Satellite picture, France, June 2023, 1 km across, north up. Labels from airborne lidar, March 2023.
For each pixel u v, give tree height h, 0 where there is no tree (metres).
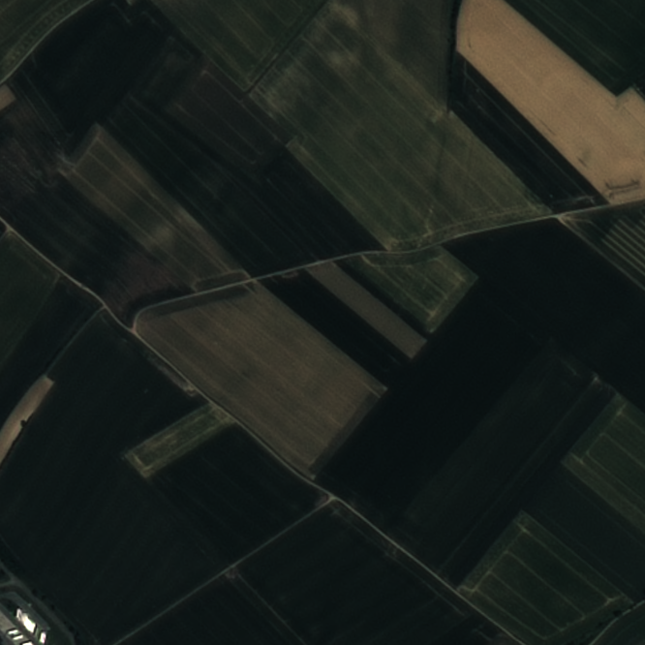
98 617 0
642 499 0
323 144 0
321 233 0
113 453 0
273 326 0
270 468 0
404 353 0
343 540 0
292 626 0
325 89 0
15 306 0
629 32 0
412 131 0
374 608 0
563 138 0
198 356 0
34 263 0
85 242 0
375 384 0
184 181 0
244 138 0
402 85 0
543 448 0
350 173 0
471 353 0
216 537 0
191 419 0
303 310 0
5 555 15
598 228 0
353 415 0
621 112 0
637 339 0
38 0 0
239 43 0
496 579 0
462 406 0
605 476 0
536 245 0
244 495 0
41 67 0
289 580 0
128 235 0
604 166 0
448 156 0
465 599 0
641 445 0
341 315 0
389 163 0
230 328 0
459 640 0
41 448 0
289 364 0
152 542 0
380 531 0
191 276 0
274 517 0
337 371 0
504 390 0
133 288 0
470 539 0
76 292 0
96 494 0
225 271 0
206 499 0
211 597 0
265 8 0
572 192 0
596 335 0
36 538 0
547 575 0
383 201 0
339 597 0
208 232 0
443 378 0
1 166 0
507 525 0
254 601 0
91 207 0
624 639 0
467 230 0
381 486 0
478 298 0
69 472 0
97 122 0
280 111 0
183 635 0
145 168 0
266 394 0
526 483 0
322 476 0
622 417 0
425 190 0
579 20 0
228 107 0
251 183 0
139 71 0
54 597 0
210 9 0
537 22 0
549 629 0
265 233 0
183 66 0
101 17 0
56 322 0
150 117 0
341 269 0
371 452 0
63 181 0
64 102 0
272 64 0
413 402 0
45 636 0
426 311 0
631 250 0
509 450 0
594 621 0
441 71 0
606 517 0
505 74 0
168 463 0
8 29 0
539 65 0
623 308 0
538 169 0
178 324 0
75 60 0
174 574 0
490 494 0
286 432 0
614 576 0
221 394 0
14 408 0
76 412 0
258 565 0
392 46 0
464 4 0
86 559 0
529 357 0
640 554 0
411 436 0
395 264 0
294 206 0
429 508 0
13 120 0
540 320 0
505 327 0
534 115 0
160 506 0
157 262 0
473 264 0
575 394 0
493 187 0
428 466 0
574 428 0
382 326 0
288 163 0
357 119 0
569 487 0
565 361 0
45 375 0
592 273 0
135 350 0
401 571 0
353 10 0
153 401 0
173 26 0
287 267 0
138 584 0
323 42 0
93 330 0
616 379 0
